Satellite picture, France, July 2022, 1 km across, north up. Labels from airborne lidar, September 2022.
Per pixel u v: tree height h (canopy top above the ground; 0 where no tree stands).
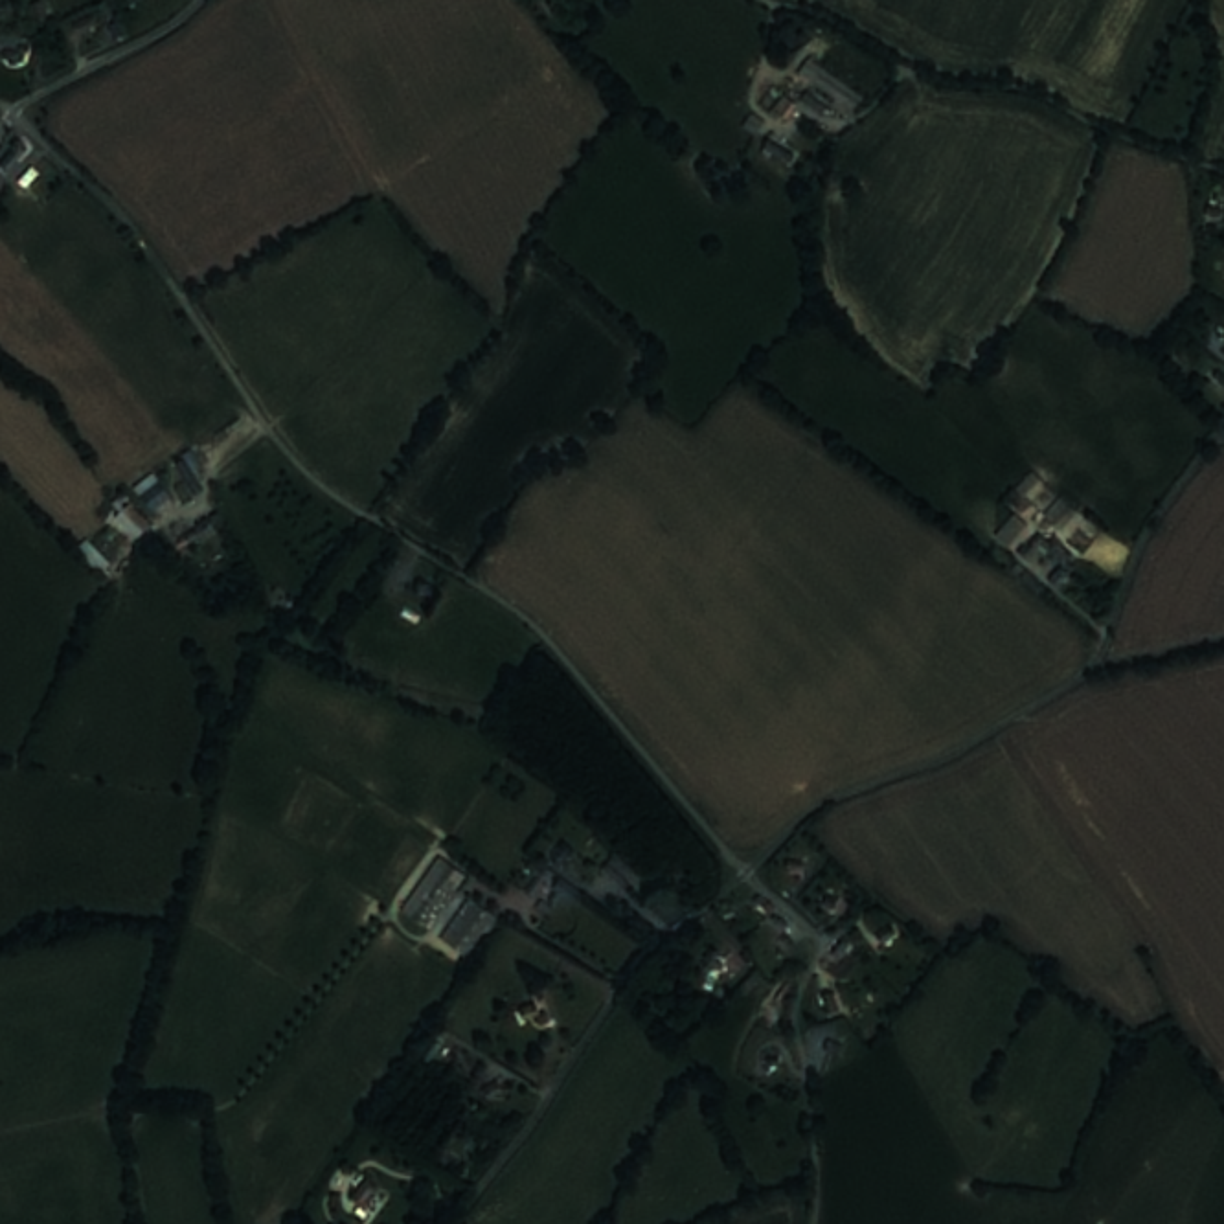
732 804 0
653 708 0
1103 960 0
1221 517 0
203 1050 0
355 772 0
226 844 0
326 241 0
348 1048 0
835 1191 0
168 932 19
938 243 0
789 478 0
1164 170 0
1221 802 0
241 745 0
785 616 0
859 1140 0
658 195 0
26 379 11
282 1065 0
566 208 0
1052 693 0
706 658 0
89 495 0
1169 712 0
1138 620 0
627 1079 0
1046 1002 12
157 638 0
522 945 0
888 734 0
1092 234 0
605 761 25
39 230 0
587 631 0
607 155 0
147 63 0
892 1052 0
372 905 0
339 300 0
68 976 0
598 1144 0
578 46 19
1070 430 0
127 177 0
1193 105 8
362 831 0
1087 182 8
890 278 0
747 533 0
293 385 0
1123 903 0
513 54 0
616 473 0
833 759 0
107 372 0
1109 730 0
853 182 13
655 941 17
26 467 0
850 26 11
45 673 0
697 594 0
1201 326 5
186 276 0
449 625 0
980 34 0
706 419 0
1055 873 0
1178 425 0
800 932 0
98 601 9
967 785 0
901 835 0
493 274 0
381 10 0
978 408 0
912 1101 0
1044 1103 0
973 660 0
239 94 0
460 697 0
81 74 0
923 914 0
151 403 0
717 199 15
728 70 0
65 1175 0
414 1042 13
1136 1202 0
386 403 0
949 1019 0
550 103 0
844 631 0
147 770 0
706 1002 14
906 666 0
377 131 0
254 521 0
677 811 19
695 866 17
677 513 0
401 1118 11
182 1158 0
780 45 10
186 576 9
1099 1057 0
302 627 10
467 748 0
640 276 0
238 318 0
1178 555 0
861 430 0
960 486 0
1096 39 0
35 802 0
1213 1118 0
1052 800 0
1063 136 0
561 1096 0
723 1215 14
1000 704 0
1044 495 0
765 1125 0
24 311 0
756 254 0
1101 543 0
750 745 0
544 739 19
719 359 0
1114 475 0
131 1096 13
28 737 6
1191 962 0
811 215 9
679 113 0
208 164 0
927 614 0
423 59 0
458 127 0
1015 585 0
